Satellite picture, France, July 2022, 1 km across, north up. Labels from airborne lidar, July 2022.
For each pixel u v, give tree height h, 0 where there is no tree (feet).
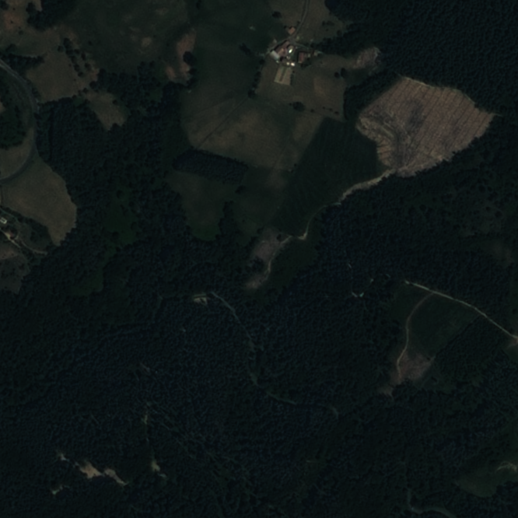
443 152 0
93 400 86
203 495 74
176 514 80
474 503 77
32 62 67
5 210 34
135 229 32
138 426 73
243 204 0
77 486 94
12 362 29
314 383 67
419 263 63
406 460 67
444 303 0
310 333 81
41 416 101
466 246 48
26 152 0
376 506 102
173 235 57
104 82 87
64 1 71
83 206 25
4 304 57
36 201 0
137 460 102
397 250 68
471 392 63
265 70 0
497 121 39
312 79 0
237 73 0
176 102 79
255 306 62
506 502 83
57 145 96
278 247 0
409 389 55
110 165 71
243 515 68
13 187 0
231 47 0
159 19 0
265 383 93
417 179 29
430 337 0
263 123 0
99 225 68
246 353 70
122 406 88
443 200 57
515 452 0
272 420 66
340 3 136
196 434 104
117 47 0
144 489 100
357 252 59
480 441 117
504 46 102
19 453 89
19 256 0
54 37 0
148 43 0
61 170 68
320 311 59
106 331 72
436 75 93
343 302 63
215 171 107
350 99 48
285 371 88
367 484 88
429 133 0
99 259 64
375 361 76
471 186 38
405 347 0
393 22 56
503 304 77
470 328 28
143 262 98
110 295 81
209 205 0
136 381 80
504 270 70
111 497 85
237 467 110
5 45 0
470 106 0
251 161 0
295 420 67
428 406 58
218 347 88
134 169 79
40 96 40
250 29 0
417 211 53
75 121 64
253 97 63
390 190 62
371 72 0
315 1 0
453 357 32
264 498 29
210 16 0
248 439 47
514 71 68
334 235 97
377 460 88
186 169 96
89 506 95
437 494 39
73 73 0
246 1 0
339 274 92
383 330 22
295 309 76
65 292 51
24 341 37
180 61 0
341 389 82
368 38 70
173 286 100
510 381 115
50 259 36
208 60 0
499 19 111
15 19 0
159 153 83
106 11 0
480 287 66
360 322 74
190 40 0
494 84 95
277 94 0
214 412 92
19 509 80
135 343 90
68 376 75
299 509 115
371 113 0
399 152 0
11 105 20
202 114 0
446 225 79
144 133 78
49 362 36
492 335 27
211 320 78
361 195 20
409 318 0
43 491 113
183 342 78
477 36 89
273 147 0
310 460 92
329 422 72
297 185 0
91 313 93
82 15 0
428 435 54
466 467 24
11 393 107
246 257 40
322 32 0
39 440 93
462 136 0
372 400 66
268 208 0
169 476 96
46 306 47
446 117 0
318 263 58
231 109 0
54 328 54
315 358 42
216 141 0
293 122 0
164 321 78
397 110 0
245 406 60
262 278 0
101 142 75
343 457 77
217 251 107
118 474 50
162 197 50
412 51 94
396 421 45
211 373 87
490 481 0
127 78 75
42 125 49
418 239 61
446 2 79
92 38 0
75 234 63
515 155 83
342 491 100
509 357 115
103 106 0
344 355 97
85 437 104
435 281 93
